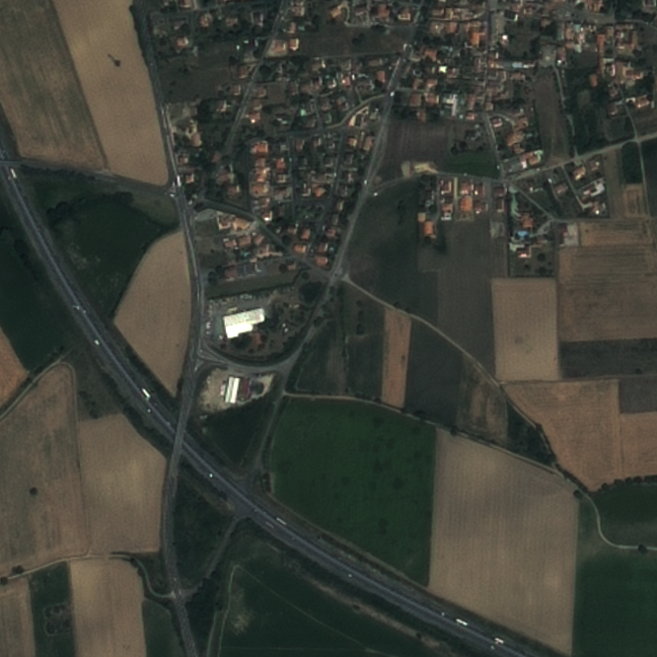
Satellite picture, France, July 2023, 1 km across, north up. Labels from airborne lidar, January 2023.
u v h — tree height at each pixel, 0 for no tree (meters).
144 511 0
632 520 0
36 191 0
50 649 0
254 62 0
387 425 0
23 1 0
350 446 0
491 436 0
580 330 0
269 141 10
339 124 0
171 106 0
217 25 10
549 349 0
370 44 0
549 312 0
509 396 0
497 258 0
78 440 0
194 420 0
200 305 0
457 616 0
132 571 0
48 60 0
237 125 0
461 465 0
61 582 0
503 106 5
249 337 8
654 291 0
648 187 0
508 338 0
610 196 0
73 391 0
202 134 0
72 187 0
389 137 0
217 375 0
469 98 0
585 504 0
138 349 0
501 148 7
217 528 0
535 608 0
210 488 7
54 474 0
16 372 0
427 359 0
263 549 0
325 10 0
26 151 0
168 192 0
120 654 0
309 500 0
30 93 0
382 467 0
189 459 0
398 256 0
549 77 0
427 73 10
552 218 0
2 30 0
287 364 0
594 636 0
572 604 0
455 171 0
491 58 0
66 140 0
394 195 0
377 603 7
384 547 0
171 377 0
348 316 0
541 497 0
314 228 7
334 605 0
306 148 6
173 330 0
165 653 0
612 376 0
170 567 0
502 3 8
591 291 0
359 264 0
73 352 0
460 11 0
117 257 0
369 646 0
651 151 0
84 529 0
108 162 0
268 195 0
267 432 0
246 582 0
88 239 0
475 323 0
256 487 0
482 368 0
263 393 0
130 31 0
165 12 7
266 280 0
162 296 0
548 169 0
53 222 7
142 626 0
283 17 0
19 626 0
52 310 0
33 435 0
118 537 0
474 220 0
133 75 0
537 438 6
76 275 0
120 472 0
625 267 0
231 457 0
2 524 0
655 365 0
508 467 0
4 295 0
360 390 0
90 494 0
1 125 0
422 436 0
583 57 0
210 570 0
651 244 0
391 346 0
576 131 6
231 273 0
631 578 0
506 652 0
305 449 0
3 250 0
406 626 0
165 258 0
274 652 0
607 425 0
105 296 0
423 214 0
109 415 0
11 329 0
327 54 0
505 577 0
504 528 0
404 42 0
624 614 0
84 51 0
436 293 0
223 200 6
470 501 0
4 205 0
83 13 0
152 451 0
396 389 0
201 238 0
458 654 0
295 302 0
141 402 0
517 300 0
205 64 0
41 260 0
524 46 0
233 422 0
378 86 10
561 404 0
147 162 0
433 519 0
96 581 0
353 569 0
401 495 0
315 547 0
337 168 0
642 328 0
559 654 0
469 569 0
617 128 0
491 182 0
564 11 0
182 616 0
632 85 0
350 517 0
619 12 10
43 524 0
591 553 0
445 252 0
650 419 0
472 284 0
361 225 0
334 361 0
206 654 0
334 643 0
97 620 0
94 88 0
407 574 0
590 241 0
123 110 0
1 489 0
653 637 0
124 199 12
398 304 6
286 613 0
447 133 0
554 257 0
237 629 0
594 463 0
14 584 0
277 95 0
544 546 0
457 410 0
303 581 0
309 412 0
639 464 0
